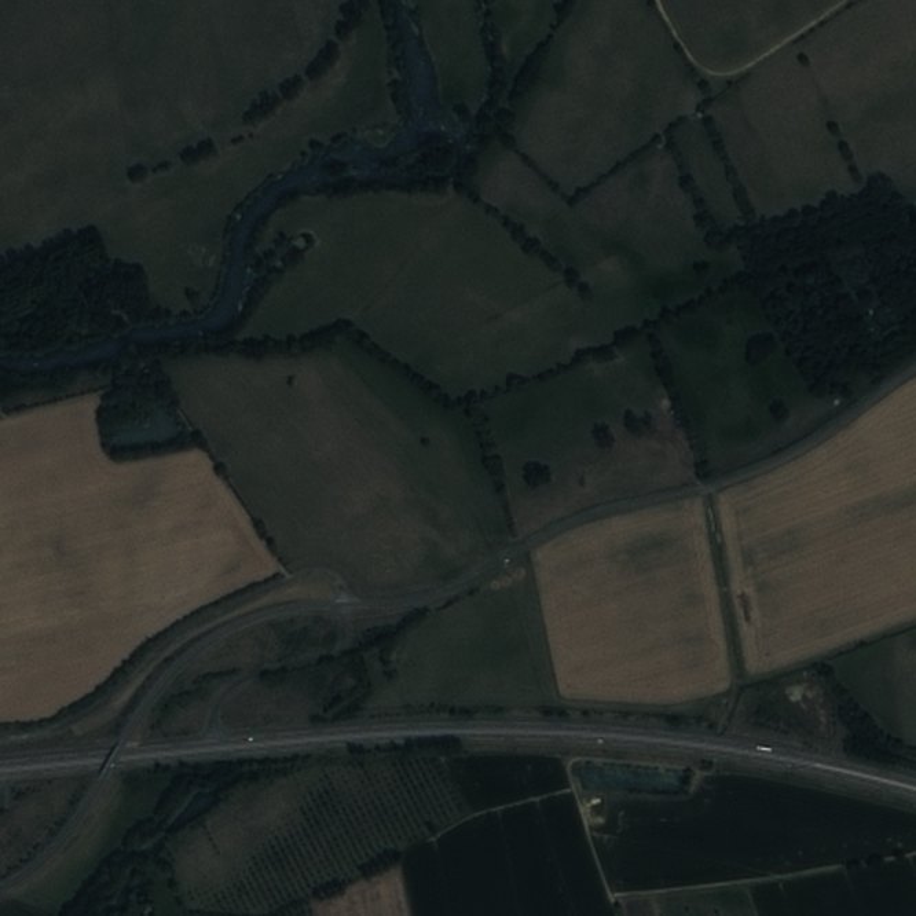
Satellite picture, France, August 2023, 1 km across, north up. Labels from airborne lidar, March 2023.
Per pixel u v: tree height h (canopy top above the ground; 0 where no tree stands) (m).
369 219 0
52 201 0
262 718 0
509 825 0
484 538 0
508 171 0
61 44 0
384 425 0
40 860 0
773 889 0
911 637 0
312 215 0
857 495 0
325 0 0
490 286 0
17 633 0
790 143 0
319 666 6
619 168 8
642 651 0
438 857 0
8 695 0
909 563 0
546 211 0
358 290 0
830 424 0
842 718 7
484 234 0
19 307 23
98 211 0
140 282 21
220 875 0
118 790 0
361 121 0
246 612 0
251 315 10
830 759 0
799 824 0
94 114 0
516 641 0
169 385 17
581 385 0
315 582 0
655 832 0
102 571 0
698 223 17
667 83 0
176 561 0
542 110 0
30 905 0
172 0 0
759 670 0
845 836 0
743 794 0
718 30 0
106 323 30
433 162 22
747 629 0
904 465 0
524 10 0
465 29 0
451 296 0
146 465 0
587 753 0
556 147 0
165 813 12
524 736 0
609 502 0
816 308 14
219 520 0
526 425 0
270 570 0
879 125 0
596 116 0
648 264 0
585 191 9
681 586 0
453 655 0
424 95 0
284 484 0
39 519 0
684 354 0
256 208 0
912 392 0
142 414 10
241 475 0
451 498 0
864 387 0
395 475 0
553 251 0
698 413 0
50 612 0
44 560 0
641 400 0
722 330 0
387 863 18
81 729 0
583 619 0
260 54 0
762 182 0
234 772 8
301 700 0
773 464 0
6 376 17
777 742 0
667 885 0
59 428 0
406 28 0
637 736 0
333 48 15
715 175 0
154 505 0
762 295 16
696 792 0
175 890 16
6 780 0
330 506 0
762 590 0
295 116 0
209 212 0
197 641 0
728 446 0
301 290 0
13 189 0
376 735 0
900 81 0
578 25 0
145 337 0
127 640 0
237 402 0
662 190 0
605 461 0
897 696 0
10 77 0
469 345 0
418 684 0
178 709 0
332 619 0
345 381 0
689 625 0
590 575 0
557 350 0
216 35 0
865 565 0
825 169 0
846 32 0
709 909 0
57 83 0
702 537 0
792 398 0
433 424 0
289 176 0
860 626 0
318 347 8
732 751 0
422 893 0
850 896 0
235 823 0
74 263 27
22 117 0
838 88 0
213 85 0
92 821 0
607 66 0
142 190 0
